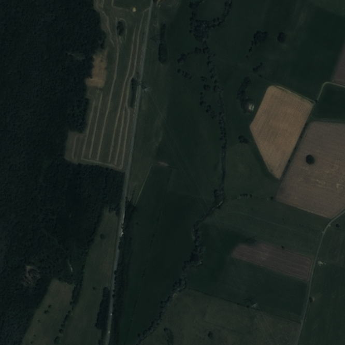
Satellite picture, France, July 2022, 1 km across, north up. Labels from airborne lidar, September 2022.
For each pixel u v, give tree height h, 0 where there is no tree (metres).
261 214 0
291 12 0
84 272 13
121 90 0
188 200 0
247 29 0
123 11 0
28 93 11
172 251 0
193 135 0
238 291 0
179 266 0
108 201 16
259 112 0
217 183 0
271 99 0
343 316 0
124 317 0
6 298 18
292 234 0
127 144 0
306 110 0
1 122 21
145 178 0
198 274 0
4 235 6
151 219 0
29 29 22
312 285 0
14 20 23
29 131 17
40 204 19
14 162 8
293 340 0
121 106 0
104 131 0
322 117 0
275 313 0
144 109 0
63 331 14
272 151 0
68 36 23
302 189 0
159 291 0
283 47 0
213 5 0
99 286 0
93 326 0
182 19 0
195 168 0
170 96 0
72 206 8
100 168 15
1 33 24
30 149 18
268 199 0
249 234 0
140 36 0
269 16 0
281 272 0
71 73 29
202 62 0
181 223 0
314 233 0
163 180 0
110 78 0
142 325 0
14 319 11
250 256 0
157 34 0
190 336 0
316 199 0
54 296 0
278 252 0
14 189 7
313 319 0
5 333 16
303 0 0
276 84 0
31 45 16
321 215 0
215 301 0
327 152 0
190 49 0
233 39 0
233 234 0
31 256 20
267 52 0
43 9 18
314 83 0
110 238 0
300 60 0
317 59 0
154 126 0
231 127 0
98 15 18
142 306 0
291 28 0
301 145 0
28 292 22
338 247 0
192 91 0
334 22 0
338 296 0
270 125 0
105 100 0
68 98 27
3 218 12
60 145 19
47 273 16
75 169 12
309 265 0
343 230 0
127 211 8
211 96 0
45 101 22
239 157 0
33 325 0
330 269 0
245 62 0
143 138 0
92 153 0
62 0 20
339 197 0
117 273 16
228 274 0
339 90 0
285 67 0
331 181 0
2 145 17
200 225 12
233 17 0
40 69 15
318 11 0
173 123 0
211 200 0
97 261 0
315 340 0
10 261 19
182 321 0
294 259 0
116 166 0
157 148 0
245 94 13
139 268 0
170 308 0
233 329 0
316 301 0
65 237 8
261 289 0
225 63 0
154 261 0
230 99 0
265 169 0
